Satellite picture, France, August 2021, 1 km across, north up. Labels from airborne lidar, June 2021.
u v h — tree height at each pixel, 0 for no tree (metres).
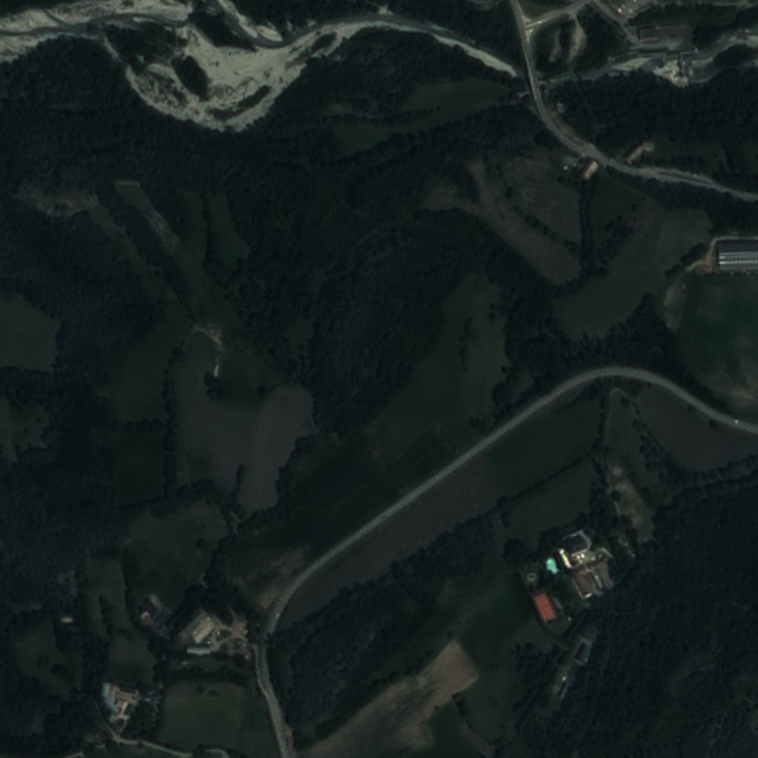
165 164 18
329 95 13
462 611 0
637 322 15
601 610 22
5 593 19
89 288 28
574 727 21
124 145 7
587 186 16
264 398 14
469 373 0
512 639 0
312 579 0
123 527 14
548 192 0
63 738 20
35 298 20
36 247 25
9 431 0
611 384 7
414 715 0
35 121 22
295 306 26
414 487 0
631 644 23
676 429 0
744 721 12
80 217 11
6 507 19
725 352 0
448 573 17
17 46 0
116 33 14
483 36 6
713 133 26
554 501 0
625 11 0
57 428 18
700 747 14
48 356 0
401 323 16
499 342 0
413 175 17
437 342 14
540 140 14
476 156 12
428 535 0
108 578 0
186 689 0
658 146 0
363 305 13
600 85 14
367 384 12
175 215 24
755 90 19
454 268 16
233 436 0
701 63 0
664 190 12
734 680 14
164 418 0
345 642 12
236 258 0
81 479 21
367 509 0
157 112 19
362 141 0
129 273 21
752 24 11
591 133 19
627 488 0
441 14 9
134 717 12
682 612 7
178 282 23
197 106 0
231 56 0
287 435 0
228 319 0
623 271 0
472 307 0
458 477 0
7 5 13
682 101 21
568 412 0
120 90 17
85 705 16
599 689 18
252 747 0
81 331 29
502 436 0
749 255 0
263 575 0
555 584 18
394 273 13
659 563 23
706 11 17
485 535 18
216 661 8
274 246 27
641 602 26
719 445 0
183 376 0
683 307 0
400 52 13
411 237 16
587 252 13
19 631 16
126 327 27
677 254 0
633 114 19
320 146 15
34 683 14
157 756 0
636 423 10
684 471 10
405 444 0
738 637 6
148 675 0
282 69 0
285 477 17
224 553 15
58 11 0
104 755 0
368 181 21
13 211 18
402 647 19
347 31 0
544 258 0
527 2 0
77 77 18
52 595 12
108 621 9
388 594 15
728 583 17
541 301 26
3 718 19
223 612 13
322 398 17
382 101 10
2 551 6
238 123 0
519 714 16
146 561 0
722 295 0
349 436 16
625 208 0
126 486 0
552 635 10
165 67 0
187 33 0
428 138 20
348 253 18
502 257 26
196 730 0
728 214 21
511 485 0
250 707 0
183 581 0
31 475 22
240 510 14
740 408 0
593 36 9
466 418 0
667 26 0
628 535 10
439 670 0
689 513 21
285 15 17
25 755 18
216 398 15
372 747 0
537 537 0
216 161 14
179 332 0
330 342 15
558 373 27
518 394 0
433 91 0
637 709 7
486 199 0
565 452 0
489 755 0
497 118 12
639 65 0
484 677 0
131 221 16
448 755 0
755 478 15
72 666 0
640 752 6
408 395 0
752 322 0
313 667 16
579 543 0
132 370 0
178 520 0
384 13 0
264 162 26
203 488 17
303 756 0
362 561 0
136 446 0
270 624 0
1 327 0
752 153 0
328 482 0
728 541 24
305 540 0
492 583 0
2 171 27
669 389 0
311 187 28
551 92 8
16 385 16
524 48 0
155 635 10
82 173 11
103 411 20
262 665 0
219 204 0
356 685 16
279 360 22
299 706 12
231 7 0
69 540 14
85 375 25
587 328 0
